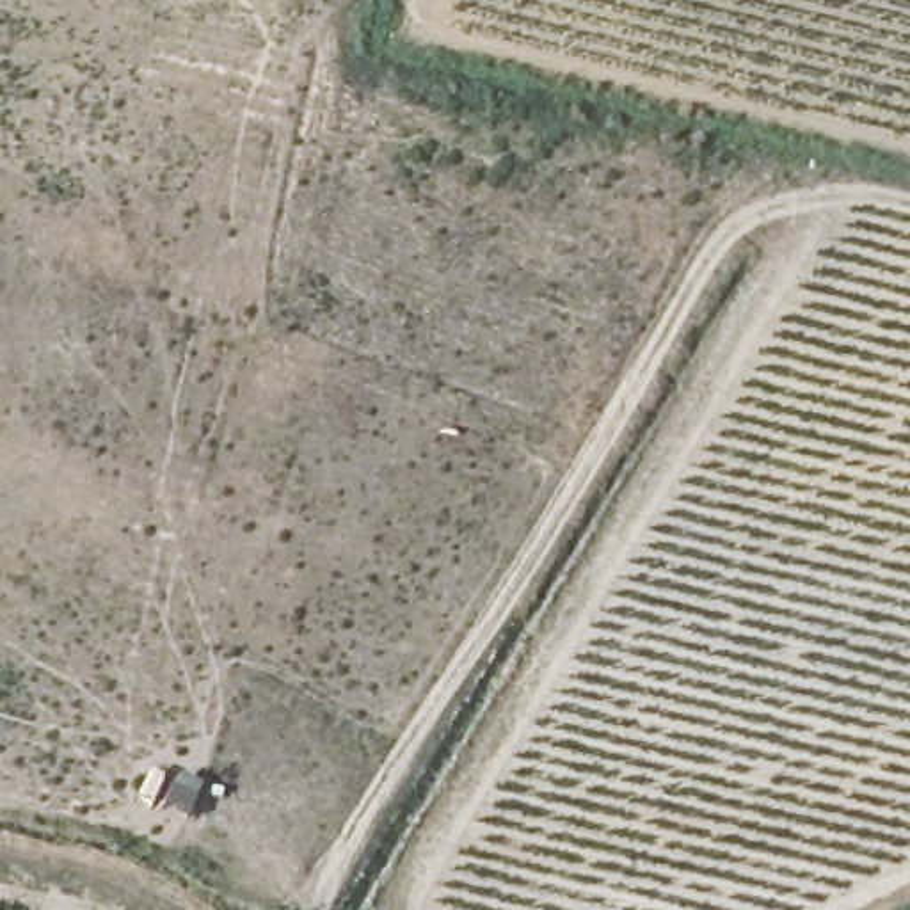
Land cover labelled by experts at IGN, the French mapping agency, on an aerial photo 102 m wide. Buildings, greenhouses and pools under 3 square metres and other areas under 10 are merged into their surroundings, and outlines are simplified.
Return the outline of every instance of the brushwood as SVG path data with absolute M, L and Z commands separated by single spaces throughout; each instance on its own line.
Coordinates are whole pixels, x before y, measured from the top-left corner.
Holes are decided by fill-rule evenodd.
M 0 832 L 14 832 L 53 846 L 117 853 L 117 835 L 124 828 L 0 807 Z
M 828 181 L 874 181 L 910 188 L 910 156 L 810 132 L 810 160 L 821 167 Z

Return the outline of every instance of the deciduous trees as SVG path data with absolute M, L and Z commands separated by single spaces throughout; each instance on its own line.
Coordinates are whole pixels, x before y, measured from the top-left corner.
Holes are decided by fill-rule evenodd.
M 164 864 L 160 842 L 146 842 L 142 835 L 124 828 L 117 835 L 117 853 L 149 871 Z
M 594 139 L 597 146 L 619 153 L 629 139 L 636 139 L 661 160 L 672 160 L 679 171 L 746 171 L 757 160 L 810 160 L 810 132 L 714 110 L 707 103 L 690 103 L 690 110 L 679 110 L 675 100 L 647 96 L 633 85 L 590 82 L 579 75 L 551 75 L 523 60 L 416 43 L 402 28 L 405 0 L 348 0 L 334 14 L 338 78 L 345 85 L 370 92 L 391 89 L 402 100 L 427 107 L 434 114 L 480 110 L 491 114 L 491 124 L 519 121 L 533 128 L 526 160 L 512 153 L 508 139 L 498 139 L 498 164 L 473 167 L 466 185 L 508 188 L 519 174 L 533 174 L 572 139 Z

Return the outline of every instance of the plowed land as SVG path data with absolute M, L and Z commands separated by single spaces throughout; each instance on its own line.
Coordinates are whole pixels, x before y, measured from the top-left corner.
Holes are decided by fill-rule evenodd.
M 778 867 L 850 882 L 853 889 L 839 889 L 828 903 L 818 903 L 821 910 L 910 910 L 910 846 L 903 864 L 885 864 L 885 871 L 874 878 L 775 853 L 754 853 L 757 860 Z

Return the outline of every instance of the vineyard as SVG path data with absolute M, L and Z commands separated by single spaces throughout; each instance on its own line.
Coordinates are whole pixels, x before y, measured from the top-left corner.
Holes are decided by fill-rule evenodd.
M 28 885 L 0 882 L 0 910 L 121 910 L 92 896 L 64 896 L 60 889 L 39 892 Z
M 714 110 L 810 132 L 910 156 L 910 0 L 405 0 L 402 28 L 416 43 L 523 60 L 551 75 L 579 75 L 590 82 L 633 85 L 647 96 L 675 100 L 679 110 L 690 110 L 690 103 L 707 103 Z
M 551 562 L 537 576 L 526 601 L 508 615 L 494 643 L 483 651 L 483 658 L 473 665 L 473 672 L 444 707 L 430 739 L 416 754 L 405 782 L 380 810 L 363 853 L 352 860 L 348 878 L 331 910 L 821 910 L 818 903 L 828 903 L 839 889 L 853 889 L 850 882 L 778 867 L 757 860 L 754 853 L 775 853 L 874 878 L 885 871 L 885 864 L 903 864 L 910 846 L 910 213 L 871 203 L 850 210 L 814 210 L 757 224 L 750 235 L 736 242 L 736 249 L 729 252 L 729 270 L 714 274 L 714 284 L 693 309 L 675 355 L 661 363 L 654 395 L 636 409 L 636 419 L 626 430 L 619 451 L 604 462 L 587 501 L 579 505 L 579 515 L 565 526 Z

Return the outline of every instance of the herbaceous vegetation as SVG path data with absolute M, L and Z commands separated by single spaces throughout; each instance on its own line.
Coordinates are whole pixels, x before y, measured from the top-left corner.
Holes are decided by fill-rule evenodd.
M 142 835 L 146 842 L 160 842 L 164 864 L 149 871 L 117 853 L 53 846 L 14 832 L 0 832 L 0 882 L 28 885 L 39 892 L 60 889 L 64 896 L 92 896 L 121 910 L 306 910 L 313 906 L 320 860 L 341 835 L 355 803 L 363 800 L 373 771 L 387 761 L 391 746 L 409 729 L 437 679 L 444 675 L 444 668 L 451 665 L 469 629 L 487 611 L 491 594 L 505 579 L 523 544 L 530 540 L 540 515 L 547 512 L 576 455 L 590 441 L 608 398 L 615 395 L 622 373 L 629 370 L 658 316 L 665 313 L 668 299 L 675 295 L 704 238 L 725 217 L 750 206 L 754 199 L 778 196 L 789 188 L 814 188 L 828 181 L 821 167 L 810 160 L 757 160 L 746 171 L 679 171 L 672 160 L 661 160 L 636 139 L 629 139 L 619 153 L 597 146 L 594 139 L 572 139 L 533 174 L 519 174 L 508 188 L 466 185 L 473 167 L 498 164 L 498 139 L 508 139 L 512 153 L 526 160 L 533 128 L 519 121 L 491 124 L 491 114 L 480 110 L 434 114 L 427 107 L 402 100 L 391 89 L 370 92 L 345 85 L 338 78 L 334 14 L 348 0 L 0 0 L 0 807 L 124 828 Z

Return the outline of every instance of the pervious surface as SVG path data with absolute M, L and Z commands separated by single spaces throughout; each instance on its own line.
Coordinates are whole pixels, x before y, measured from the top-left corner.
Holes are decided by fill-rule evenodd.
M 874 181 L 828 181 L 814 188 L 789 188 L 778 196 L 754 199 L 750 206 L 725 217 L 704 238 L 675 295 L 668 299 L 665 313 L 658 316 L 629 370 L 622 373 L 615 395 L 608 398 L 590 441 L 576 455 L 547 512 L 540 515 L 530 540 L 523 544 L 505 579 L 491 594 L 487 611 L 469 629 L 451 665 L 444 668 L 444 675 L 437 679 L 409 729 L 391 746 L 387 761 L 373 771 L 363 800 L 355 803 L 341 835 L 320 860 L 313 906 L 306 910 L 331 910 L 348 878 L 352 860 L 363 853 L 380 810 L 405 782 L 416 754 L 430 739 L 444 707 L 473 672 L 473 665 L 483 658 L 483 651 L 494 643 L 508 615 L 526 601 L 537 576 L 551 562 L 565 526 L 579 515 L 579 505 L 587 501 L 604 462 L 619 451 L 626 430 L 636 419 L 636 409 L 654 395 L 661 363 L 675 355 L 693 309 L 714 284 L 714 274 L 729 270 L 729 252 L 736 249 L 736 242 L 750 235 L 757 224 L 814 210 L 850 210 L 871 203 L 910 213 L 910 188 Z

